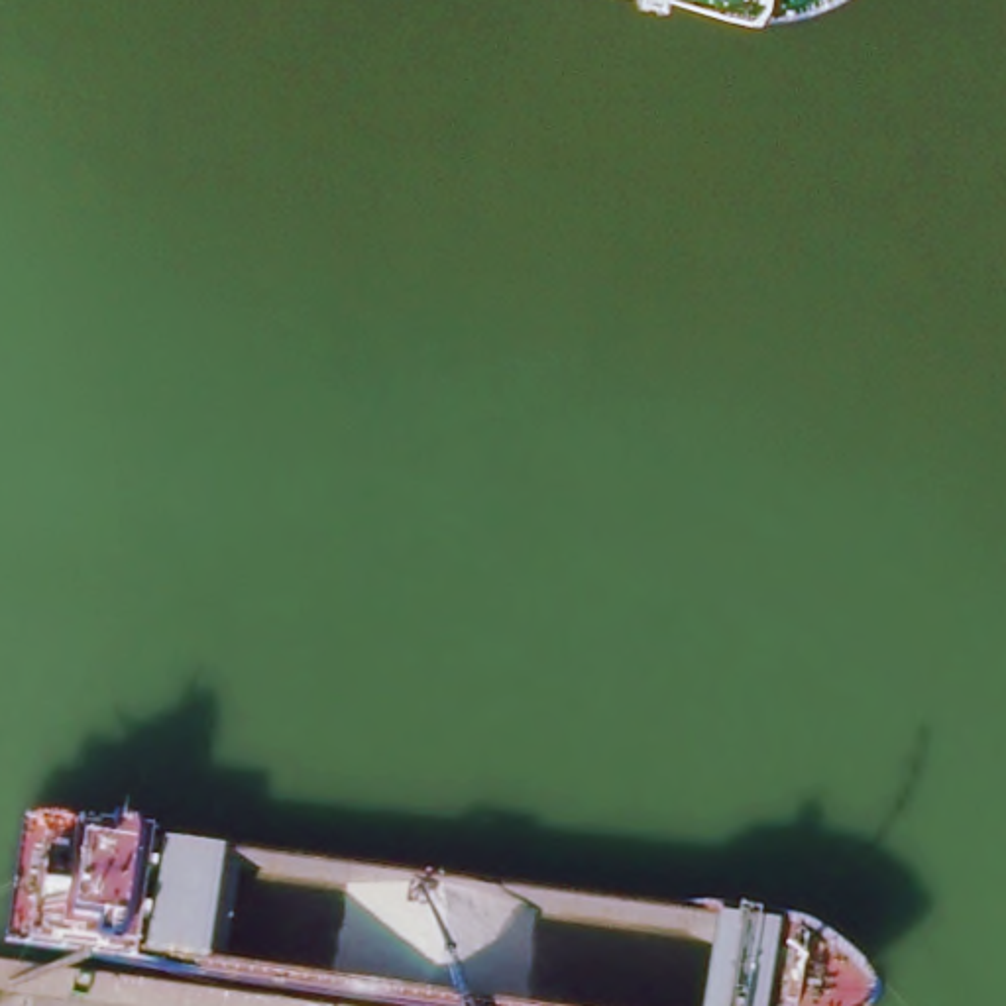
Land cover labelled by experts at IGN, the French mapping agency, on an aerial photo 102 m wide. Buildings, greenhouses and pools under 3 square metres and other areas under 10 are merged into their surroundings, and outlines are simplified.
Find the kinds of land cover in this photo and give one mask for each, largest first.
<instances>
[{"label":"water","instance_id":"1","mask_svg":"<svg viewBox=\"0 0 1006 1006\"><path fill-rule=\"evenodd\" d=\"M0 959L35 967L63 963L71 971L161 978L318 1006H1006V0H0Z\"/></svg>","mask_w":1006,"mask_h":1006},{"label":"impervious surface","instance_id":"2","mask_svg":"<svg viewBox=\"0 0 1006 1006\"><path fill-rule=\"evenodd\" d=\"M0 1006H318L161 978L71 971L63 963L35 967L0 959Z\"/></svg>","mask_w":1006,"mask_h":1006}]
</instances>
